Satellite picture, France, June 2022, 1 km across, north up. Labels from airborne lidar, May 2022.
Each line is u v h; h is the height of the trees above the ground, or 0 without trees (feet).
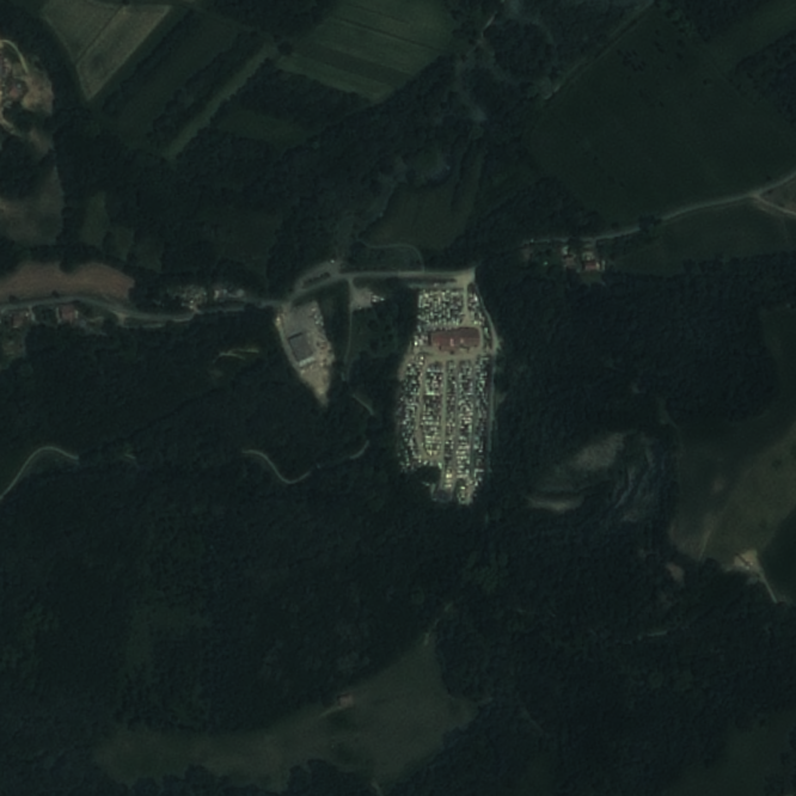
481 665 50
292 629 55
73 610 64
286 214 63
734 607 66
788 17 0
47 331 45
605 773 45
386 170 76
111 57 0
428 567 39
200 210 31
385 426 48
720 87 0
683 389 47
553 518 28
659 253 0
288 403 83
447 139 33
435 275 0
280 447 74
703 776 0
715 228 0
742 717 70
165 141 19
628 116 0
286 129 0
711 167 0
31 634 59
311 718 0
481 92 73
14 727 77
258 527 79
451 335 0
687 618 21
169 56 34
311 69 0
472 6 63
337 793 45
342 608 55
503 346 23
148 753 0
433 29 0
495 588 68
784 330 0
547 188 41
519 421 56
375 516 75
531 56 66
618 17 25
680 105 0
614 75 0
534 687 65
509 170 64
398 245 0
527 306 68
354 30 0
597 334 74
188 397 21
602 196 0
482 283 52
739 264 63
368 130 81
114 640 69
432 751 0
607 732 71
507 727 81
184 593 27
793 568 0
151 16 0
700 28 36
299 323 0
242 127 0
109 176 49
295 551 64
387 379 28
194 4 0
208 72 32
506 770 71
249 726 56
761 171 0
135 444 62
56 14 0
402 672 0
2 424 68
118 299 0
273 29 23
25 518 78
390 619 61
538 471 33
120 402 31
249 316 68
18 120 53
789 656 39
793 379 0
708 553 0
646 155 0
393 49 0
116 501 62
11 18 64
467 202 0
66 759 80
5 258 67
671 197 0
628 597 68
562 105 0
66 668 69
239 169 37
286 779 0
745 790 0
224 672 77
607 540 48
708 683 57
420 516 83
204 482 77
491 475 23
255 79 31
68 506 79
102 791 95
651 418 28
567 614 74
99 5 0
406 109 57
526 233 72
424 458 0
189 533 25
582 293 51
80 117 65
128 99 31
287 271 39
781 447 0
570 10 31
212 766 0
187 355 57
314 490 39
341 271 0
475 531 45
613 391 26
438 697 0
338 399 54
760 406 66
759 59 17
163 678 43
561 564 82
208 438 78
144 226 47
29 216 0
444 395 0
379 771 0
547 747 52
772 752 0
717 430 0
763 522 0
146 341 50
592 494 35
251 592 70
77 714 78
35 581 73
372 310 29
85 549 82
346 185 89
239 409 31
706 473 0
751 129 0
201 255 52
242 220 0
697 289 70
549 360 72
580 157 0
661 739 60
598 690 73
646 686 58
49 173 0
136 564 73
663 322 78
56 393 72
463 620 35
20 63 0
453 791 56
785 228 0
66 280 0
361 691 0
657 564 34
